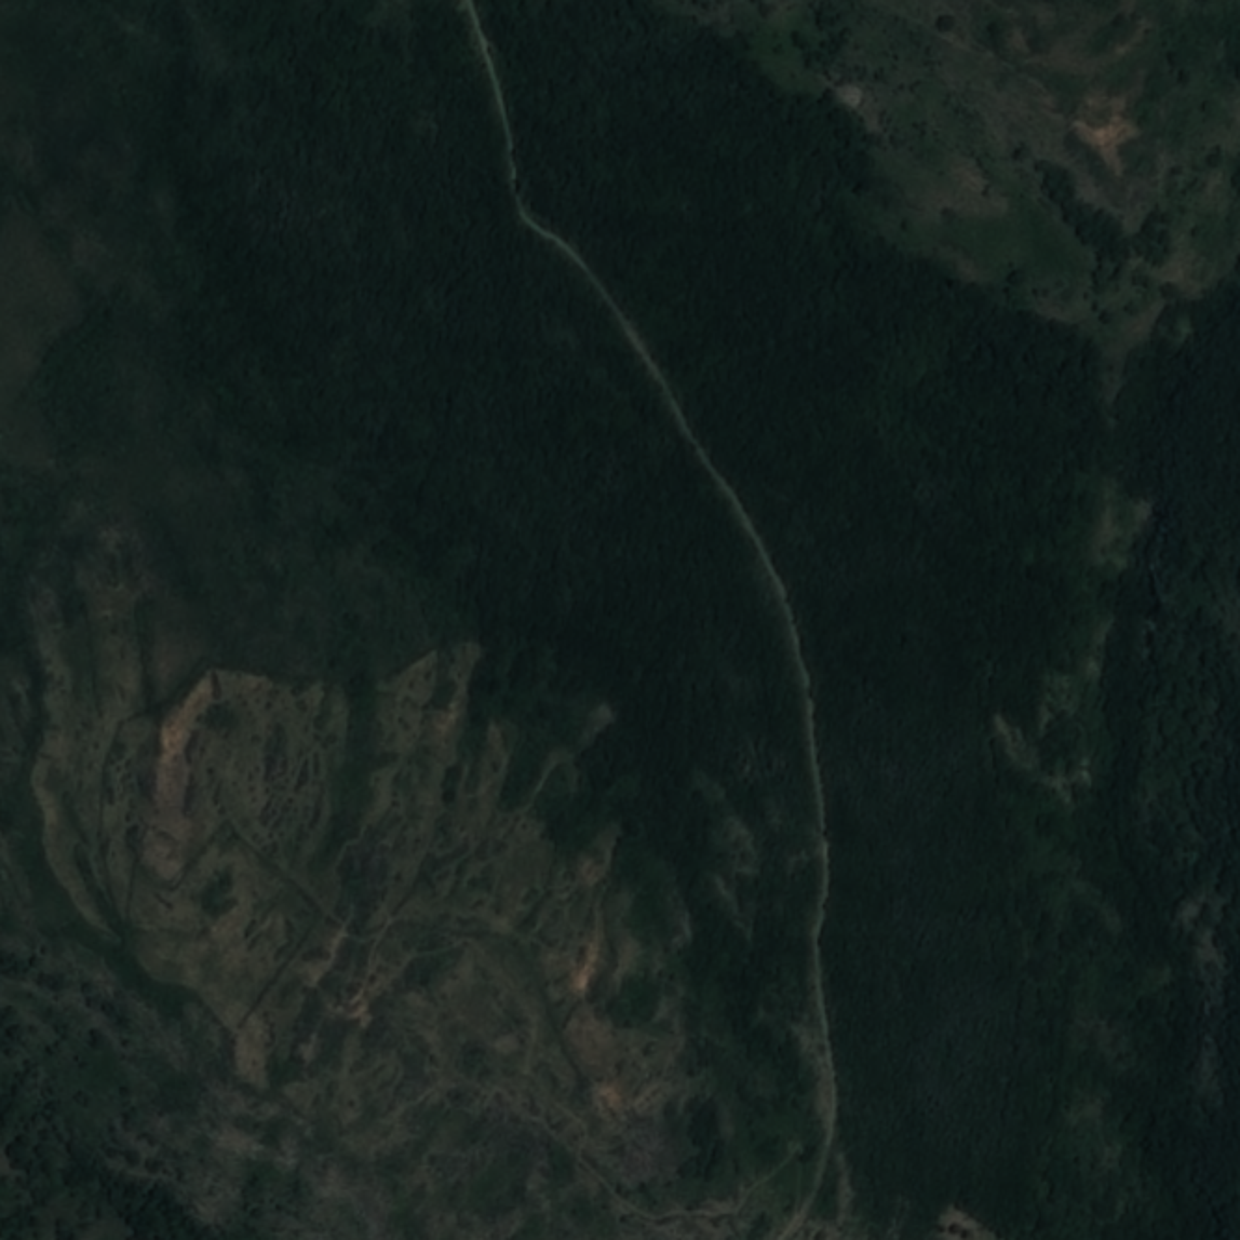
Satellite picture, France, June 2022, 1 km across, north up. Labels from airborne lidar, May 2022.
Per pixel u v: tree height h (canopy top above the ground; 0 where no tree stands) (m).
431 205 11
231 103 9
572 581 10
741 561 9
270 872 0
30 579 0
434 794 0
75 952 0
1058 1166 10
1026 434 16
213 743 0
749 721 8
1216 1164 11
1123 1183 9
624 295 7
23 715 0
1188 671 8
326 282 8
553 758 0
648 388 7
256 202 7
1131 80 0
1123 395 11
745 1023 7
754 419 15
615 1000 0
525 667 10
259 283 7
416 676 0
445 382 10
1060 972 7
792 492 9
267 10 6
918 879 11
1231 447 12
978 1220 12
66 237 0
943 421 13
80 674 0
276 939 0
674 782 9
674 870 7
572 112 16
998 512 11
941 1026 13
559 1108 0
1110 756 7
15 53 0
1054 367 19
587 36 13
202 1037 0
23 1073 6
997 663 8
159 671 0
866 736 13
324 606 0
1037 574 16
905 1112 8
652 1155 0
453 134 13
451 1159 0
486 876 0
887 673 12
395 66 6
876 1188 8
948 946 14
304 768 0
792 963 6
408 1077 0
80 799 0
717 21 6
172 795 0
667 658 10
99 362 0
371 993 0
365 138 10
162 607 0
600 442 14
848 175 19
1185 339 16
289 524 0
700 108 14
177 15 8
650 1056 0
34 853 0
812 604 10
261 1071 0
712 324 8
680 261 9
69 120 0
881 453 13
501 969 0
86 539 0
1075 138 0
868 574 15
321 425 7
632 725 12
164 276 0
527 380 11
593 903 0
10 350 0
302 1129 0
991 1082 9
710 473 9
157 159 7
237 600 0
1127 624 14
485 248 9
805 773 10
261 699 0
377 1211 0
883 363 11
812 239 16
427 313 11
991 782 11
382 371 8
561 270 8
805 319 11
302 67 10
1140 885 12
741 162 12
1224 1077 8
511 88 10
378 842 0
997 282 0
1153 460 11
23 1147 10
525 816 0
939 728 11
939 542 14
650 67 9
